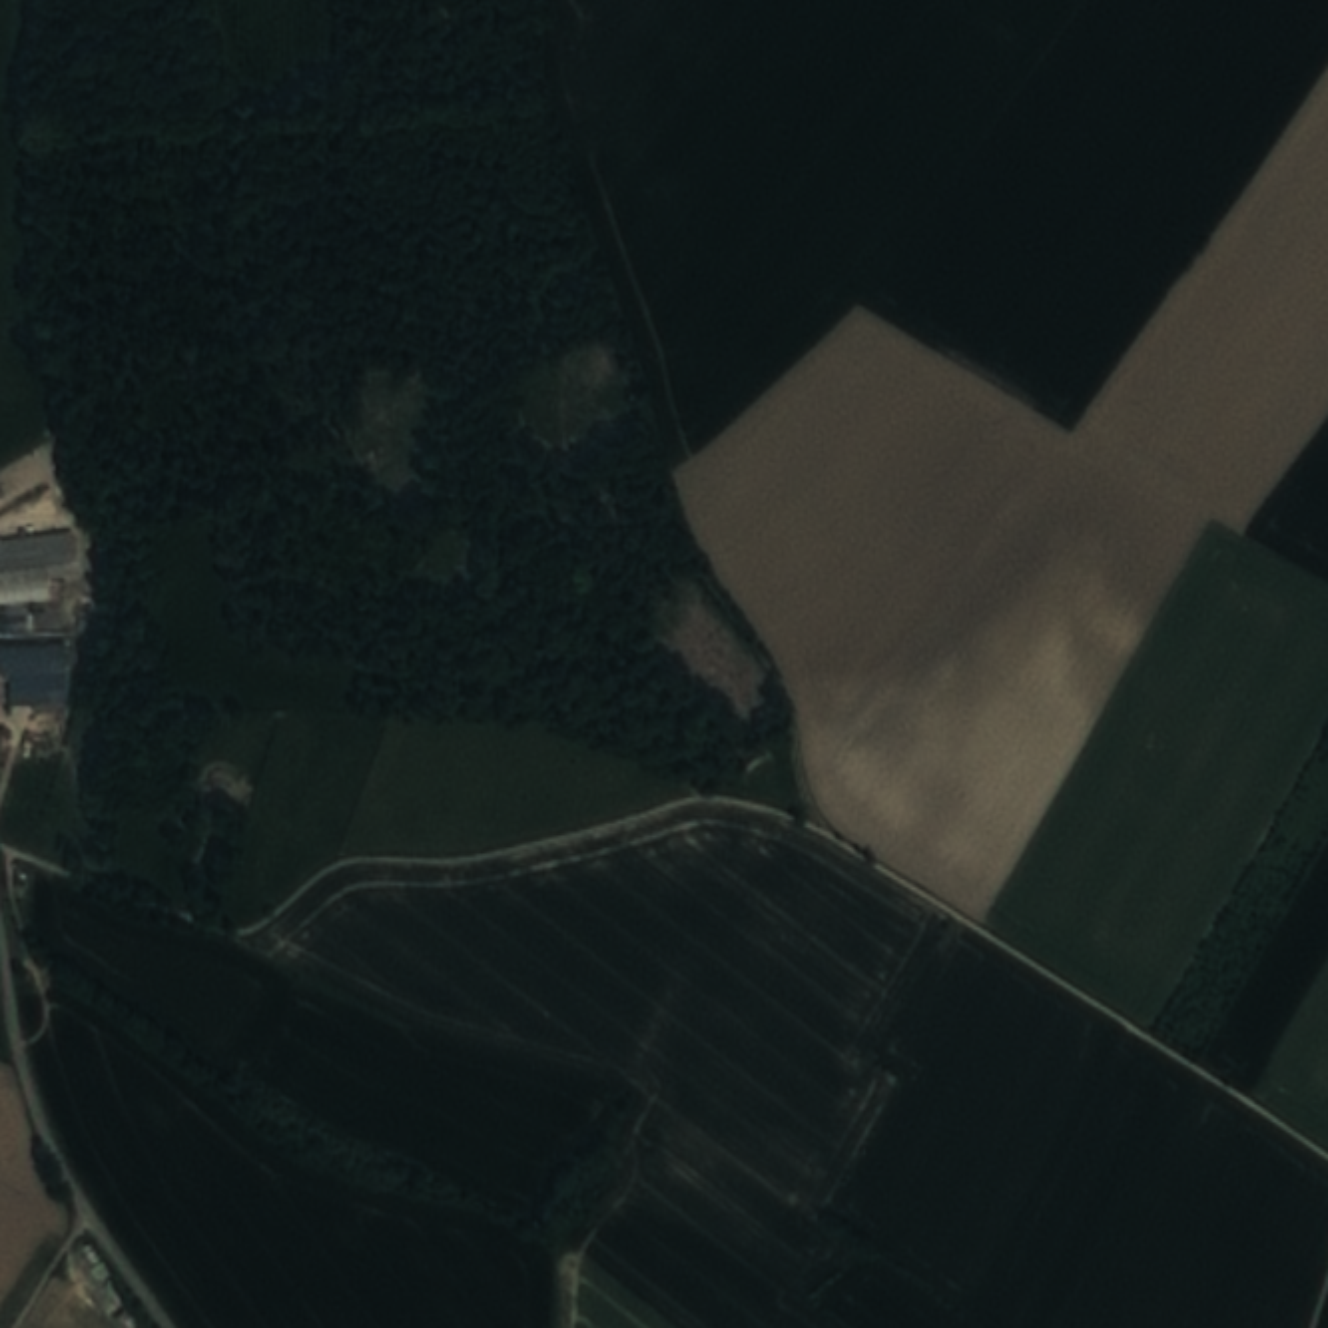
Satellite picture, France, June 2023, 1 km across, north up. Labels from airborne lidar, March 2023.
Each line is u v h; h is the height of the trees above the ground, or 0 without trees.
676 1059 0
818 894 0
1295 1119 0
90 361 26
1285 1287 0
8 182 0
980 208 0
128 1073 0
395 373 23
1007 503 0
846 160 0
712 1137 0
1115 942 0
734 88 0
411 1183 20
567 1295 0
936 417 0
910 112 0
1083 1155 0
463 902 0
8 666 0
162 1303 0
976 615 0
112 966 0
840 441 0
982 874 0
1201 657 0
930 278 0
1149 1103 0
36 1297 0
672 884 0
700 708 25
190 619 0
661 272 0
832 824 0
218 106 27
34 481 0
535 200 22
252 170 25
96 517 24
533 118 24
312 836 0
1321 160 0
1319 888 0
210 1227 0
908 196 0
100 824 26
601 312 16
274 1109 10
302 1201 0
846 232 0
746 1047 0
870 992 0
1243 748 0
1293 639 0
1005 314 0
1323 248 0
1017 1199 0
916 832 0
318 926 0
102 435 21
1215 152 0
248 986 0
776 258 0
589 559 28
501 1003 0
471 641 20
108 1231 0
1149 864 0
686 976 0
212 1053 0
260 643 20
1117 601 0
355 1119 0
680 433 0
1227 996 7
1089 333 0
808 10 0
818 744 0
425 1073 0
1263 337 0
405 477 0
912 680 0
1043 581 0
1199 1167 0
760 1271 0
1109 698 0
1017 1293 0
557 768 0
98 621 7
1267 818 0
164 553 0
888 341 0
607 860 0
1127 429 0
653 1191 0
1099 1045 0
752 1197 0
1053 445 0
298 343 26
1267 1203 0
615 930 0
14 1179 0
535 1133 0
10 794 0
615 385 0
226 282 19
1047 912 0
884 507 0
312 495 24
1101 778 0
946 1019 0
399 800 0
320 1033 0
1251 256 0
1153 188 0
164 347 21
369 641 23
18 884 0
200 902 21
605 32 0
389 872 0
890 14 0
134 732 24
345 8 10
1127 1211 0
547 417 0
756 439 0
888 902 0
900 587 0
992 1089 0
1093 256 0
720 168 0
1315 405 0
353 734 0
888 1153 0
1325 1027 0
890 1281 0
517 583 22
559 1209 24
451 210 22
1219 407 0
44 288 16
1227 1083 6
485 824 0
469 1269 0
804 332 0
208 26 32
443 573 0
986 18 0
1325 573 0
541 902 0
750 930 0
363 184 20
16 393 0
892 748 0
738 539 0
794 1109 0
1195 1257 0
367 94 20
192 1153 0
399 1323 0
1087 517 0
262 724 0
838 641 0
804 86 0
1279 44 0
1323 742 6
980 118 0
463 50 21
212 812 22
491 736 0
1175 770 0
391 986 0
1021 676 0
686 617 0
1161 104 0
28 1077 0
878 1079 0
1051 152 0
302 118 27
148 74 33
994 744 0
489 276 22
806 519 0
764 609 0
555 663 27
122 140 25
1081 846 0
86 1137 0
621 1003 0
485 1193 0
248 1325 0
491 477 24
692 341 0
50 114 35
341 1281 0
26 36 12
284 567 16
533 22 7
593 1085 0
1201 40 0
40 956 13
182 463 22
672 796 0
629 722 26
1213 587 0
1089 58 0
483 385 27
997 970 0
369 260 21
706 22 0
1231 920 6
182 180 22
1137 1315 0
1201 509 0
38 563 0
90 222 11
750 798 0
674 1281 0
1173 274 0
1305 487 0
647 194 0
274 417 26
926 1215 0
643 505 26
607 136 0
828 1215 13
